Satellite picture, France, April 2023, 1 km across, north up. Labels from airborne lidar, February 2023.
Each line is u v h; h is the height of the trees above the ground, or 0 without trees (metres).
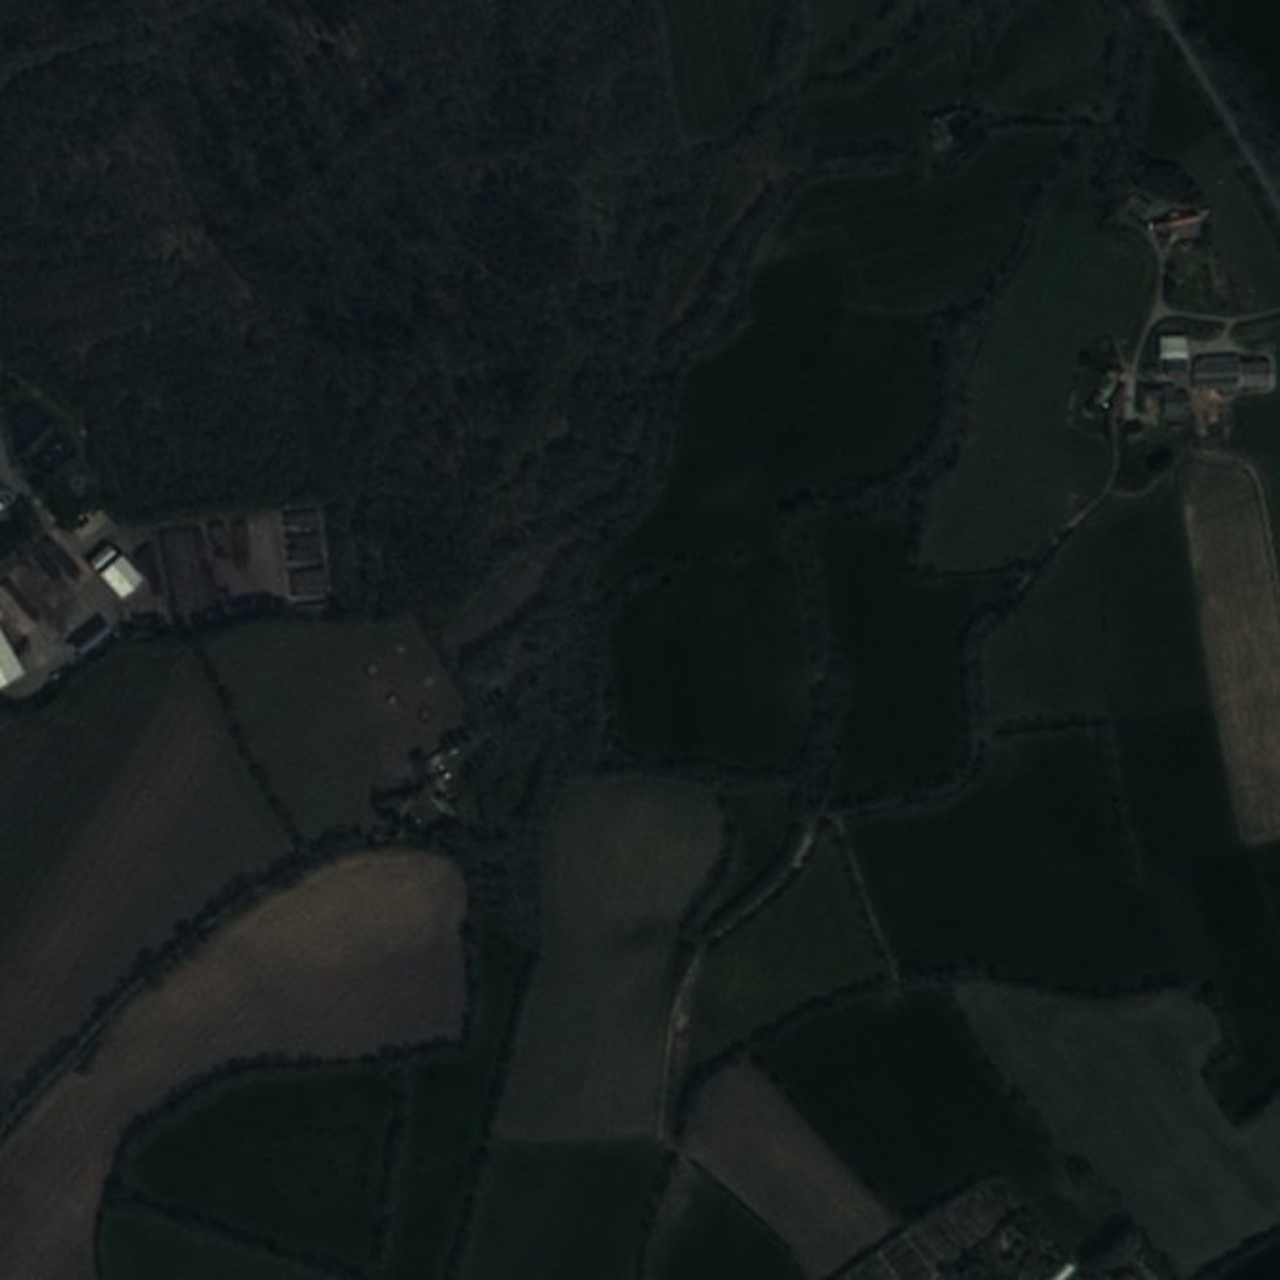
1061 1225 0
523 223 20
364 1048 0
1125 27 14
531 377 14
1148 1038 0
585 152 18
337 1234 0
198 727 0
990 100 0
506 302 15
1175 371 0
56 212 12
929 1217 8
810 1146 0
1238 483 0
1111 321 0
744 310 9
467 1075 0
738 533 0
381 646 0
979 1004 0
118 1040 0
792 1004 0
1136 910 0
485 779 14
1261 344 0
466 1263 9
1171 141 0
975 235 0
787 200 7
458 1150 0
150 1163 0
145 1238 0
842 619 0
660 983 0
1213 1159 0
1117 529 0
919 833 0
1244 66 0
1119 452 0
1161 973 0
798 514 11
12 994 0
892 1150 0
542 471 10
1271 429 0
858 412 0
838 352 0
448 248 12
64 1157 0
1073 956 0
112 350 12
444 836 11
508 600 0
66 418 0
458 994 0
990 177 0
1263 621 0
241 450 12
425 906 0
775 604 0
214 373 11
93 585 0
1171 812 0
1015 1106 11
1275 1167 0
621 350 13
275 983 0
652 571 6
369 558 11
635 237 15
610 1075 0
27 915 0
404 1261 0
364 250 17
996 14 15
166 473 11
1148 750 0
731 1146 0
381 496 8
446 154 14
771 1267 0
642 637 0
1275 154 12
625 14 13
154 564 0
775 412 0
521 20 15
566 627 14
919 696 0
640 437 12
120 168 11
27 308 11
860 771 0
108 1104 0
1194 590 0
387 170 15
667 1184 15
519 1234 0
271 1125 0
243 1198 0
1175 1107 0
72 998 0
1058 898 0
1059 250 0
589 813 0
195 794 0
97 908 0
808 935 0
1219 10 0
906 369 0
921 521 14
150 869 0
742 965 0
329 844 15
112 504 14
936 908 0
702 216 7
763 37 0
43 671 0
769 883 8
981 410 0
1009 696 0
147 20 15
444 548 11
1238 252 0
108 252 13
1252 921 0
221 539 0
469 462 8
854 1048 0
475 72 16
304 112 13
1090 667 0
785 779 9
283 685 0
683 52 0
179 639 16
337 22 16
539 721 17
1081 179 0
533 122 21
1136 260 0
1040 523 0
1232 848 0
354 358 13
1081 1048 0
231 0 17
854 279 0
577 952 0
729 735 0
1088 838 0
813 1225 0
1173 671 0
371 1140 0
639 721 0
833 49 0
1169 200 7
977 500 0
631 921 0
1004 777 0
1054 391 0
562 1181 0
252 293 10
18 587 0
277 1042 0
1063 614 0
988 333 10
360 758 0
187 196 10
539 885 17
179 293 9
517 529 6
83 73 14
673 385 13
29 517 12
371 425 15
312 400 13
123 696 0
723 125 0
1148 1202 0
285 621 16
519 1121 0
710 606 0
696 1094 12
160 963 12
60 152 6
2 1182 0
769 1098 0
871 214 0
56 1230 0
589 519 13
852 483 0
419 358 11
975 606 0
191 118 14
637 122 16
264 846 0
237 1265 0
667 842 0
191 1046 0
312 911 0
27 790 0
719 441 0
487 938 0
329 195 19
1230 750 0
